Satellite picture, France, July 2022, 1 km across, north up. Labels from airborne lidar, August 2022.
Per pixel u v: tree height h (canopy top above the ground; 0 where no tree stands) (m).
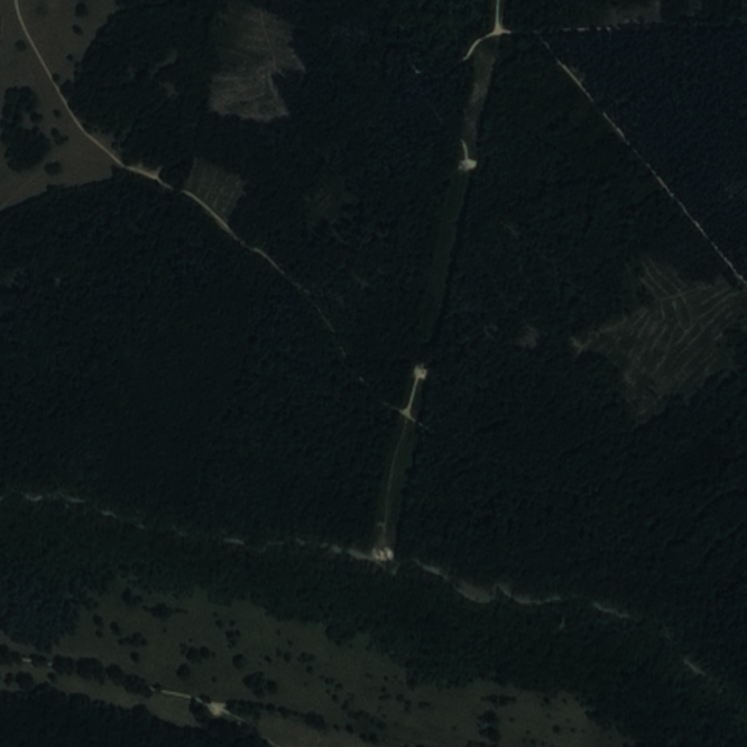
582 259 15
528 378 17
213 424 10
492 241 17
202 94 11
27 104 8
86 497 12
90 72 14
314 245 20
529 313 19
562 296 17
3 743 21
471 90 12
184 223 13
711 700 19
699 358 0
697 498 18
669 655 14
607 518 15
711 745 30
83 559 7
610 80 20
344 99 16
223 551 19
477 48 0
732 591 12
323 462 14
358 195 20
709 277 15
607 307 14
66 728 22
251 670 0
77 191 9
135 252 17
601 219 18
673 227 12
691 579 17
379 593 20
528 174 17
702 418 16
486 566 11
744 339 7
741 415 20
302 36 19
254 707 13
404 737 0
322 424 12
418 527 15
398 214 18
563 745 0
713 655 10
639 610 7
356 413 14
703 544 15
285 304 20
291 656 8
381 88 15
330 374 15
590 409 16
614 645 25
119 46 11
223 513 14
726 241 17
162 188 7
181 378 10
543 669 23
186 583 6
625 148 15
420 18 16
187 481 13
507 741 0
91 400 18
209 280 13
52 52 0
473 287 19
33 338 19
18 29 0
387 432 18
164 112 11
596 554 15
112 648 0
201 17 7
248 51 0
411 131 22
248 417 12
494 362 19
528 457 15
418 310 19
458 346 9
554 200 16
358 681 0
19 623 22
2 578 13
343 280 17
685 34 16
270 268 17
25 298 13
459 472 19
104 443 15
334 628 9
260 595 8
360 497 14
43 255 11
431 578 13
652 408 0
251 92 0
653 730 21
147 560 11
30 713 22
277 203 21
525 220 12
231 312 13
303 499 16
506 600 11
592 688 17
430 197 17
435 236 18
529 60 12
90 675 14
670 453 16
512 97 16
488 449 15
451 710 0
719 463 7
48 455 17
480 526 17
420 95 19
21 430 19
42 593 12
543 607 13
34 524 16
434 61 14
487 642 21
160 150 13
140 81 17
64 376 20
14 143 12
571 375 15
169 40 8
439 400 18
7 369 17
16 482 11
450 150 18
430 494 17
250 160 23
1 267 13
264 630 0
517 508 18
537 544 13
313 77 14
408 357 19
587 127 6
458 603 18
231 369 12
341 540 9
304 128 19
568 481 15
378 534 0
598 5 17
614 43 16
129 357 15
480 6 16
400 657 6
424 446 13
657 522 21
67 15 0
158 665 0
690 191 20
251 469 16
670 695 23
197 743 24
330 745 0
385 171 20
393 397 21
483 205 15
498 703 13
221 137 20
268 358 16
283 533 7
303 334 15
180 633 0
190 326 10
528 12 9
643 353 0
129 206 15
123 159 8
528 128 7
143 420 13
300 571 17
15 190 0
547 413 17
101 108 15
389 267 15
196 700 9
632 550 15
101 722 27
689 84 11
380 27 12
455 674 9
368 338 19
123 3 10
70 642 0
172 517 10
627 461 17
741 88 17
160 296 15
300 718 8
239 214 16
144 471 10
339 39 23
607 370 17
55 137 11
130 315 15
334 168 17
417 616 21
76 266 10
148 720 15
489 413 8
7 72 0
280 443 13
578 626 15
